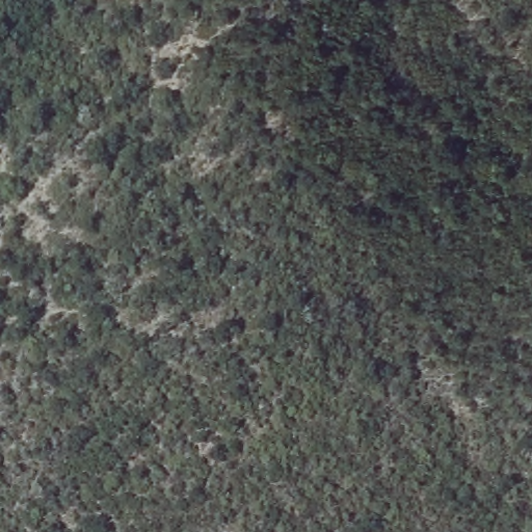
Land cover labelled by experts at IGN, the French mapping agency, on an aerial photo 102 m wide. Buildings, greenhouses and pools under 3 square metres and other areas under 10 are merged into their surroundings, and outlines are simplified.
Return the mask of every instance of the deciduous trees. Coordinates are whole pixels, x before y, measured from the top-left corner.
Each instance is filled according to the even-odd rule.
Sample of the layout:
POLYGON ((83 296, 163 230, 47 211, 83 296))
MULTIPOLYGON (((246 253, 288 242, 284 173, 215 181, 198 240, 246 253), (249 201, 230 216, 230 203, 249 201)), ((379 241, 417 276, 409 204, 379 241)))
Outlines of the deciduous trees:
POLYGON ((12 200, 21 200, 19 195, 23 187, 10 183, 12 175, 0 172, 0 206, 6 206, 12 200))
POLYGON ((25 100, 31 102, 35 110, 42 108, 42 102, 52 102, 54 121, 60 127, 69 127, 71 118, 79 116, 81 106, 87 106, 89 110, 96 108, 96 104, 104 102, 106 94, 112 96, 112 102, 121 100, 125 91, 137 96, 137 87, 129 83, 131 71, 121 62, 118 52, 118 37, 131 35, 139 27, 133 15, 135 4, 118 8, 104 21, 104 10, 98 8, 98 0, 0 0, 0 129, 6 129, 6 110, 23 104, 25 100))

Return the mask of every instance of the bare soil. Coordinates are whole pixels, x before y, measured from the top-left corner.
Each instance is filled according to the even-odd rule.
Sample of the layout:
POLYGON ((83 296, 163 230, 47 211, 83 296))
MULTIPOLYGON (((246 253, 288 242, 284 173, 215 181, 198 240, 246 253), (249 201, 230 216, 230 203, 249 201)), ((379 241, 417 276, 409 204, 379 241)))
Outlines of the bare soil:
POLYGON ((87 154, 83 154, 83 148, 79 145, 73 156, 54 154, 54 166, 48 170, 48 175, 37 179, 35 187, 29 191, 25 200, 21 200, 19 212, 27 218, 23 235, 29 241, 39 241, 48 235, 50 222, 37 214, 35 202, 48 200, 50 185, 60 175, 77 175, 79 183, 75 189, 77 193, 85 193, 98 179, 98 164, 91 168, 83 166, 87 154))
POLYGON ((202 37, 181 35, 179 39, 168 42, 160 48, 162 58, 187 56, 193 46, 208 46, 202 37))

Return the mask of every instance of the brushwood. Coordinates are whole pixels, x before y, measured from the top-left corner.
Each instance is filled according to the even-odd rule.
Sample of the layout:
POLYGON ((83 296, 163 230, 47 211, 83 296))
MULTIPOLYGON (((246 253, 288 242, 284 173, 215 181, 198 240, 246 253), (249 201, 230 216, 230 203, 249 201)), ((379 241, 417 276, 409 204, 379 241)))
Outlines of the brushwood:
POLYGON ((91 168, 98 164, 98 179, 85 193, 77 193, 75 189, 79 183, 77 175, 60 175, 50 185, 48 200, 35 202, 37 214, 50 222, 48 235, 39 241, 29 241, 23 235, 27 218, 19 212, 21 200, 12 200, 6 206, 0 206, 0 532, 532 532, 532 0, 98 0, 98 8, 104 10, 104 21, 118 8, 135 4, 133 15, 139 27, 131 35, 118 37, 118 52, 121 62, 131 71, 129 83, 137 87, 137 96, 125 91, 121 100, 112 102, 112 96, 106 94, 104 102, 96 104, 96 108, 89 110, 87 106, 81 106, 79 116, 71 118, 69 127, 60 127, 54 121, 52 102, 42 102, 42 108, 35 110, 31 102, 25 100, 23 104, 6 110, 6 129, 0 129, 0 172, 12 175, 10 183, 23 187, 19 195, 21 200, 25 200, 29 191, 35 187, 37 179, 48 175, 48 170, 54 166, 54 154, 73 156, 79 145, 83 148, 83 154, 87 154, 83 166, 91 168), (162 58, 160 48, 168 42, 179 39, 181 35, 202 37, 208 46, 193 46, 187 56, 162 58))

